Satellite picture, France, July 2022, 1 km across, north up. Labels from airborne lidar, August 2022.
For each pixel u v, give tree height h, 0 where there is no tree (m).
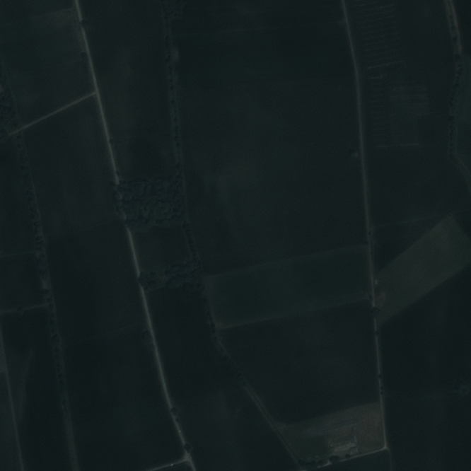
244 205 0
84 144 0
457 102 10
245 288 0
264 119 0
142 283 17
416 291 0
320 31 0
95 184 0
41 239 8
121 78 0
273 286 0
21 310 12
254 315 0
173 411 14
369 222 0
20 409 0
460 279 0
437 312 0
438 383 0
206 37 0
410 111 0
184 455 0
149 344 13
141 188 27
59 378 7
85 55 15
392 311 0
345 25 0
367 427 0
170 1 19
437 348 0
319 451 0
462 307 0
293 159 0
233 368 12
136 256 0
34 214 17
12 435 0
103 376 0
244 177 0
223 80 0
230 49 0
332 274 0
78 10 0
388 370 0
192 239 10
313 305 0
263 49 0
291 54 0
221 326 0
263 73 0
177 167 12
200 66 0
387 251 0
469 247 0
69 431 0
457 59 16
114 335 0
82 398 0
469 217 0
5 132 19
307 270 0
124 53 0
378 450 0
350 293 0
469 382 0
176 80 0
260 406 0
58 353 10
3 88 8
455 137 7
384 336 0
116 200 20
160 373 0
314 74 0
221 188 0
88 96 0
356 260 0
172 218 20
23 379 0
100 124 0
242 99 0
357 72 0
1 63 10
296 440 0
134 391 0
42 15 0
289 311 0
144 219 25
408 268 0
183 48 0
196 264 17
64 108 0
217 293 0
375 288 0
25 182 13
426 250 0
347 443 0
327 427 0
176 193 18
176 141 7
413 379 0
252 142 0
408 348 0
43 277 17
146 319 0
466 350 0
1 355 0
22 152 8
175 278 22
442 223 0
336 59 0
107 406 0
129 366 0
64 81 0
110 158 0
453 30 7
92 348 0
